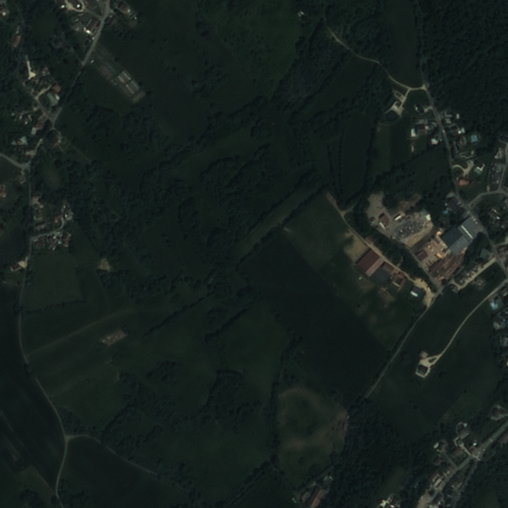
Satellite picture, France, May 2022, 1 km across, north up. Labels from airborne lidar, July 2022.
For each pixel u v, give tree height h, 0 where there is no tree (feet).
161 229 0
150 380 30
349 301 0
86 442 0
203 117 0
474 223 0
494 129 47
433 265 0
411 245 0
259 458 0
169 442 0
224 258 59
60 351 0
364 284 0
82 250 0
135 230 45
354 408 45
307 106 57
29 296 0
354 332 0
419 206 29
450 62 67
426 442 29
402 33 0
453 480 23
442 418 0
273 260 0
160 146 30
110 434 52
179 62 0
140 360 0
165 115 0
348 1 0
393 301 0
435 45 55
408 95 0
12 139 35
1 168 0
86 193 47
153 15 0
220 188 66
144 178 27
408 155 0
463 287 0
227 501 19
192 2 0
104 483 0
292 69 34
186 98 0
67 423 26
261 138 41
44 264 0
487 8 52
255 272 0
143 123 71
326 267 0
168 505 0
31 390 0
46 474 0
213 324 33
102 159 0
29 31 45
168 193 52
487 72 59
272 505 0
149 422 0
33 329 0
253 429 0
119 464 0
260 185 64
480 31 56
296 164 19
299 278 0
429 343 0
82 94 53
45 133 46
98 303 0
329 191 24
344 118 35
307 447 0
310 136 36
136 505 0
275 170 58
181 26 0
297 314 0
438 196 34
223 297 49
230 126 58
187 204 46
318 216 0
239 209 50
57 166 51
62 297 0
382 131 0
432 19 43
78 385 0
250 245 0
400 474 0
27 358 0
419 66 32
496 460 46
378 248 0
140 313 0
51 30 0
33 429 0
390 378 0
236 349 0
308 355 0
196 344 0
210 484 0
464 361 0
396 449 73
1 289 0
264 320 0
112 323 0
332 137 28
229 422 27
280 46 0
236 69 0
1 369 0
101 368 0
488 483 35
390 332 0
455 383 0
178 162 21
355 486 81
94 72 0
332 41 21
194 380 0
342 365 0
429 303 0
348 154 0
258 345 0
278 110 22
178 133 0
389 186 39
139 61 0
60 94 34
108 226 52
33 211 46
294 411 0
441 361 0
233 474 0
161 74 0
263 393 0
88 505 20
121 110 0
